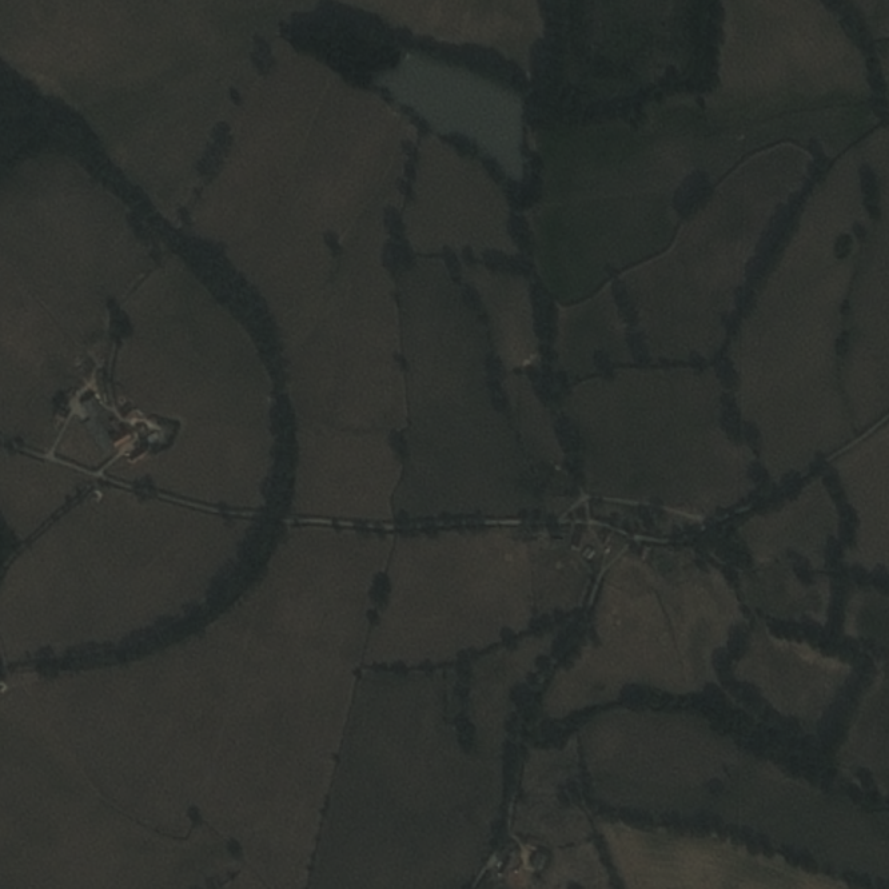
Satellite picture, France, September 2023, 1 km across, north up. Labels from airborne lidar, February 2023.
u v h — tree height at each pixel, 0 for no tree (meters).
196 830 0
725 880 0
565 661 19
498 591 0
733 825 0
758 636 0
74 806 0
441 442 0
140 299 0
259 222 0
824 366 0
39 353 0
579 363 0
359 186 0
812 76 0
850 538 19
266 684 0
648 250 0
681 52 0
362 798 0
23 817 0
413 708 0
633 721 0
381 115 0
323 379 0
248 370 0
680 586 0
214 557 0
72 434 0
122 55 0
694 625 0
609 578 0
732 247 0
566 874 0
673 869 0
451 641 0
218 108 0
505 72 18
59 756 0
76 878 0
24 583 0
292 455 19
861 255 0
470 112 0
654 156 0
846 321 0
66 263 0
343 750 0
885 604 0
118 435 0
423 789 0
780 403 0
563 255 0
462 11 0
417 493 0
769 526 0
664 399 0
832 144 0
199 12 0
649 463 0
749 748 15
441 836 0
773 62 0
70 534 0
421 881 0
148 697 0
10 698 0
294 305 0
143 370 0
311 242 0
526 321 0
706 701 14
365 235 0
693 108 0
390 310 0
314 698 0
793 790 0
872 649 17
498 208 0
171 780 0
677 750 0
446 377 0
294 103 0
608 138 0
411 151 16
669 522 0
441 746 0
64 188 0
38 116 23
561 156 0
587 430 0
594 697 0
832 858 0
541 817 0
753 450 13
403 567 0
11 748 0
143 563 0
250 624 0
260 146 0
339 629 0
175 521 0
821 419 0
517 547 0
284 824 0
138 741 0
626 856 0
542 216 0
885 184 0
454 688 0
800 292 0
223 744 0
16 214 0
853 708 20
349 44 19
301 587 0
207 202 0
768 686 0
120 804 0
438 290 0
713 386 0
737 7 0
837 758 0
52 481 0
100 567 0
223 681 0
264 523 21
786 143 0
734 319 11
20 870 0
